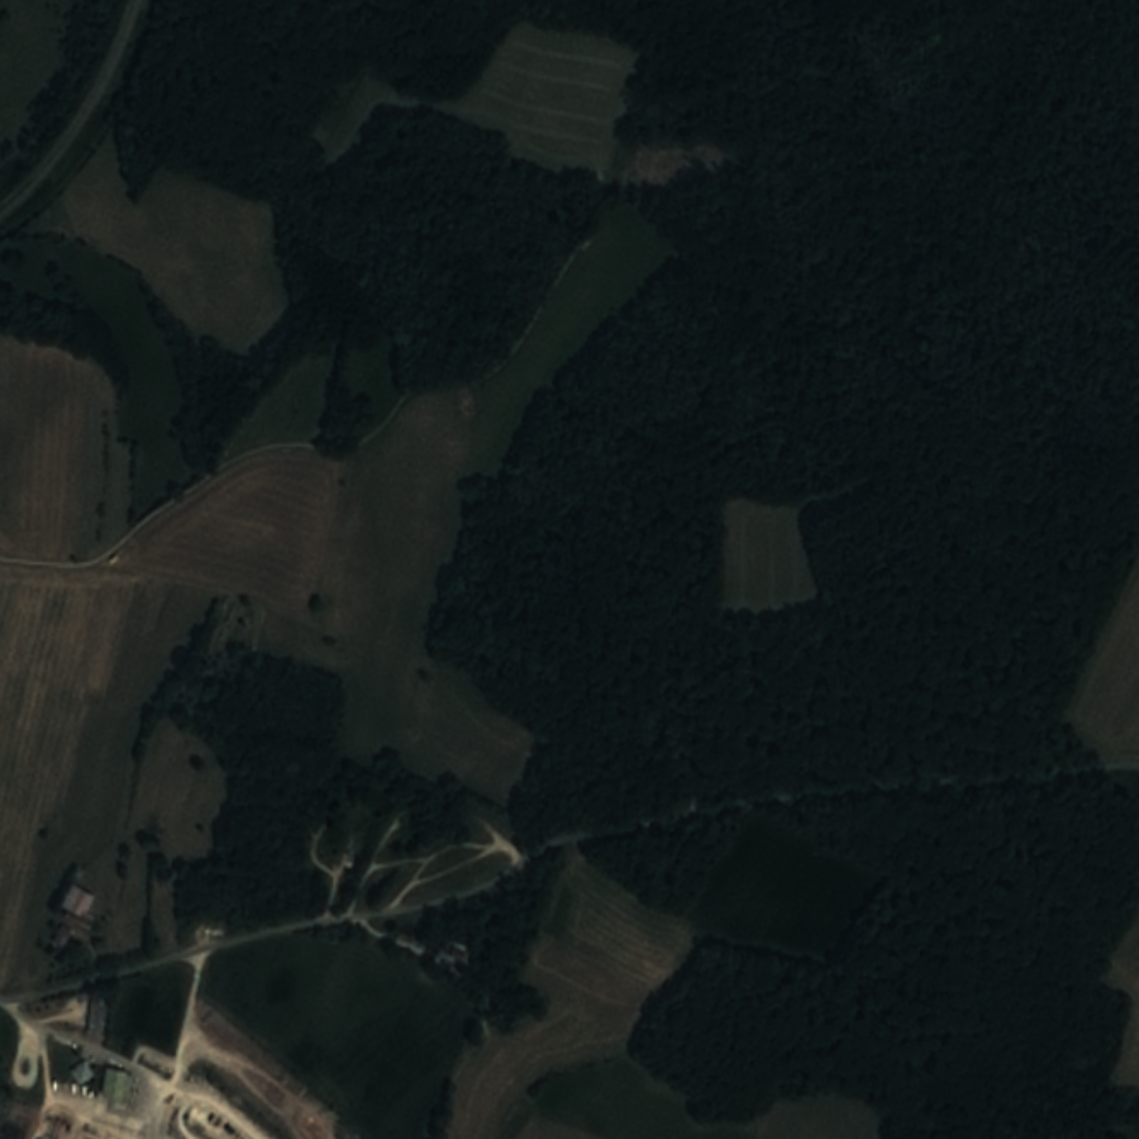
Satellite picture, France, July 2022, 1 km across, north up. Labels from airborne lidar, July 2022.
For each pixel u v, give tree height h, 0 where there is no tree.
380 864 0
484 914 14
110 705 0
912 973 28
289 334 21
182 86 26
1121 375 17
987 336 29
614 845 22
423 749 0
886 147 18
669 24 25
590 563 26
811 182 17
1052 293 25
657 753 21
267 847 17
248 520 0
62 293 9
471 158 12
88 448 0
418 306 24
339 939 7
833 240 18
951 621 29
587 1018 0
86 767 0
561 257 11
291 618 0
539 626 22
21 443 0
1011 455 27
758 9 23
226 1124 0
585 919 0
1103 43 22
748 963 24
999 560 31
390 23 26
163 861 13
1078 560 26
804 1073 22
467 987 14
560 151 0
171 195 0
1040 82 20
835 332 23
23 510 0
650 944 0
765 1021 29
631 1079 0
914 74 13
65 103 13
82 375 0
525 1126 0
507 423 0
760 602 0
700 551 26
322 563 0
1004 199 22
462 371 22
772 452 28
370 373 0
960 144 24
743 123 19
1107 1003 20
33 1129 0
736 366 26
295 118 22
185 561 0
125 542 0
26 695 0
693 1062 17
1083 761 15
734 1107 20
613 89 0
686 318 24
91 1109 0
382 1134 0
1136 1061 0
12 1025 0
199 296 0
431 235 21
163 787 0
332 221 25
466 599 22
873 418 26
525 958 16
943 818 28
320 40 25
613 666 23
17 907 0
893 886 14
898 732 29
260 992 0
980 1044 29
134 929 0
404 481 0
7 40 0
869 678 22
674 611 19
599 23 22
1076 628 26
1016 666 26
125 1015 0
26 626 0
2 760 0
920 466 26
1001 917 29
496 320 14
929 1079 30
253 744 15
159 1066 0
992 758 26
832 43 26
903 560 24
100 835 0
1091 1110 22
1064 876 28
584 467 24
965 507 27
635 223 0
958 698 25
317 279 23
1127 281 24
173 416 0
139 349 0
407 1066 0
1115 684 0
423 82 22
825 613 22
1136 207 26
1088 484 27
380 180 19
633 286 0
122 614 0
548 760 18
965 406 24
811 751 28
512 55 0
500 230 18
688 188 22
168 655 0
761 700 29
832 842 21
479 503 23
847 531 22
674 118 25
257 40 26
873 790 23
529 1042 0
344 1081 0
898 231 20
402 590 0
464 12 27
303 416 0
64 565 0
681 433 25
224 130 25
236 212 0
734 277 24
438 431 0
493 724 0
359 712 0
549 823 19
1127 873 22
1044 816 23
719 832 22
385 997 0
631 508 24
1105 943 22
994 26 19
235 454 0
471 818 0
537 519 23
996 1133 22
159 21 17
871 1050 28
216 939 0
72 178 0
